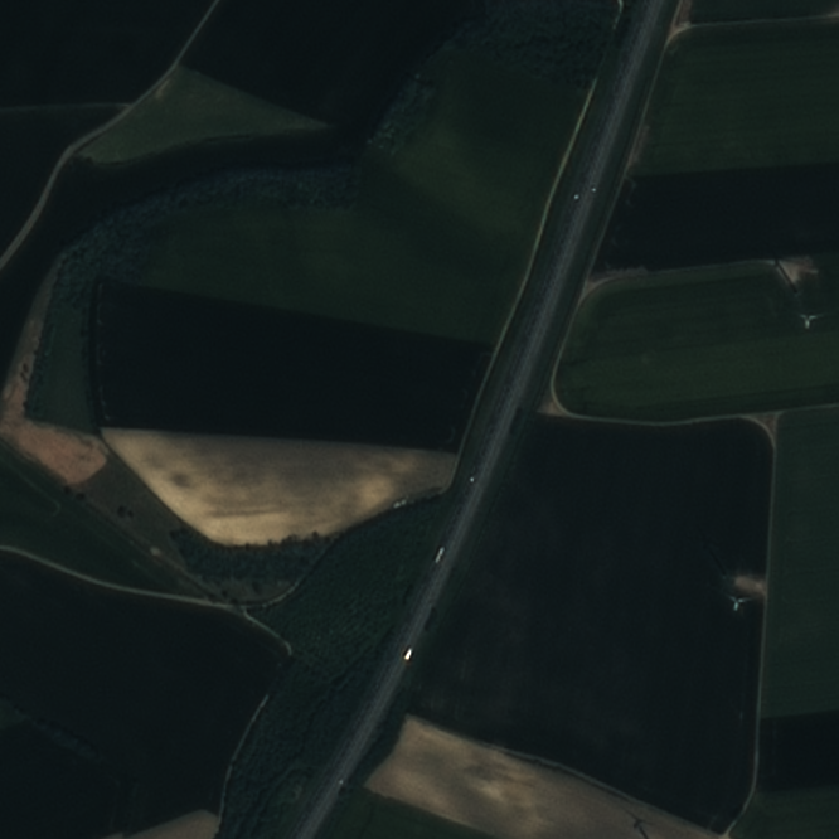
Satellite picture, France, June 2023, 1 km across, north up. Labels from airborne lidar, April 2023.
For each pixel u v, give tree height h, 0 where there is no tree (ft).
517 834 0
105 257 45
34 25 0
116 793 0
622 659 0
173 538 29
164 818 0
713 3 0
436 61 0
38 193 0
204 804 0
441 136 0
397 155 0
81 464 0
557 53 48
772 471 0
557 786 0
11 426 0
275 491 0
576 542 0
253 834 49
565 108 0
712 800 0
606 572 0
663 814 0
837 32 0
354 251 0
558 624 0
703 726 0
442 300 0
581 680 0
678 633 0
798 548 0
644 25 0
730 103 0
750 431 0
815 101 0
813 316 0
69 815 0
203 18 0
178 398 0
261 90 0
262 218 0
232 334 0
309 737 41
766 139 0
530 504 0
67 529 0
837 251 0
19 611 0
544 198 0
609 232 0
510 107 0
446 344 0
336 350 0
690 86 0
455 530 0
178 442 0
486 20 45
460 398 0
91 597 0
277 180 66
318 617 23
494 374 0
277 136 0
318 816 0
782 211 0
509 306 0
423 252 0
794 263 0
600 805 0
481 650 0
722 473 0
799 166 0
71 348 0
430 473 0
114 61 0
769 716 0
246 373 0
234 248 0
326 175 60
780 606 0
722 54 0
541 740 0
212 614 0
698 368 0
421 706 0
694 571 0
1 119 0
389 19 0
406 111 54
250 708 0
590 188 0
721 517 0
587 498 0
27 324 0
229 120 0
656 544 0
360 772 37
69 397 0
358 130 0
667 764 0
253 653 0
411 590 19
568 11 81
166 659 0
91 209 0
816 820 0
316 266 0
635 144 0
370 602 27
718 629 0
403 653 0
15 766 0
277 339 0
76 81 0
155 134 0
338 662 21
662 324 0
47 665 0
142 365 0
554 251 0
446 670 0
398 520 42
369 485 0
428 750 0
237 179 63
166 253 0
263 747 21
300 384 0
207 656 0
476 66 0
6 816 0
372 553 44
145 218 48
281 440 0
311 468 0
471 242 0
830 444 0
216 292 0
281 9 0
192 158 0
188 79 0
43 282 0
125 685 0
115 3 0
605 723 0
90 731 0
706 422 0
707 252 0
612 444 0
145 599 0
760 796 0
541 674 0
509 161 0
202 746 0
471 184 0
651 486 0
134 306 0
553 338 0
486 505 0
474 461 0
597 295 0
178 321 0
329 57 0
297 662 27
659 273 0
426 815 0
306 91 0
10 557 0
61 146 0
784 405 0
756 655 0
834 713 0
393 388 0
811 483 0
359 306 0
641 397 0
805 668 0
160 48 0
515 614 0
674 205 0
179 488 0
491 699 0
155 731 0
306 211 0
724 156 0
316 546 43
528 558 0
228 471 0
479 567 0
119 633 0
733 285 0
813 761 0
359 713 0
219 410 0
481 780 0
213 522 0
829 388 0
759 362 0
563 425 0
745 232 0
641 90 0
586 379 0
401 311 0
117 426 0
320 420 0
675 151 0
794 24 0
